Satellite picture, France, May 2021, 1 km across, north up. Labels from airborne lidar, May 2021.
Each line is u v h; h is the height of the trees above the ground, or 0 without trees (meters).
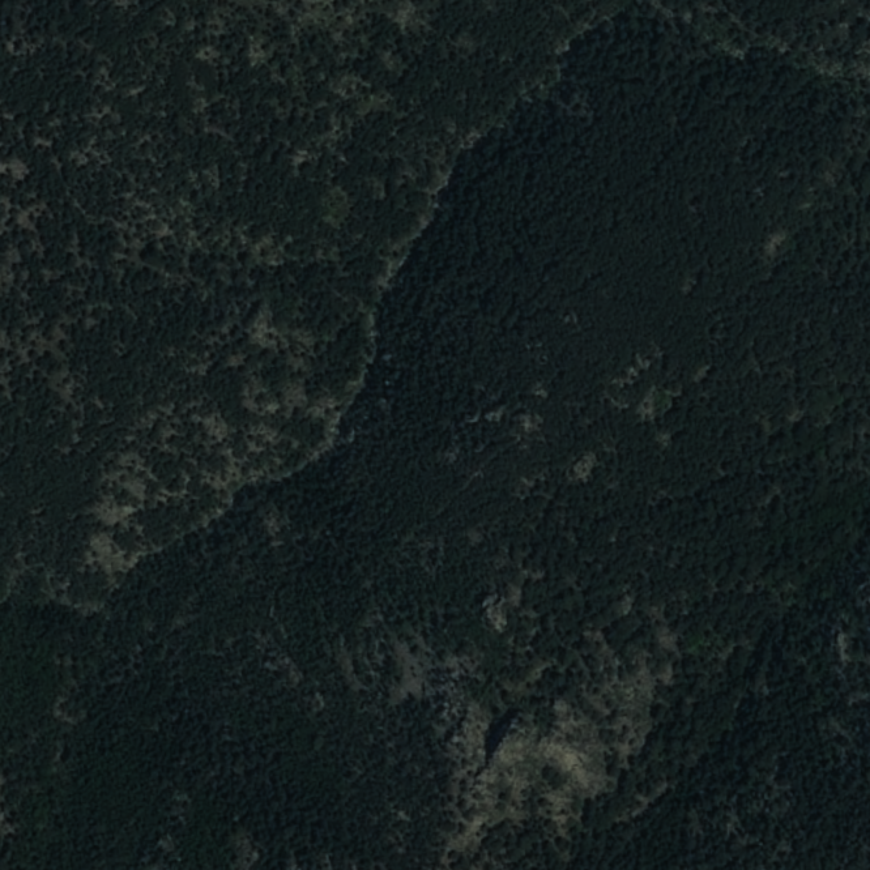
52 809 20
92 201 18
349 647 11
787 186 20
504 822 15
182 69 18
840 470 16
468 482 9
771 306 26
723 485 26
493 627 9
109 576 14
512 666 11
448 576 12
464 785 14
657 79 20
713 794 25
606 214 25
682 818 15
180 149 18
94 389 15
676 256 22
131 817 12
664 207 23
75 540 16
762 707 27
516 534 19
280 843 20
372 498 16
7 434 17
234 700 11
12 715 17
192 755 19
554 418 16
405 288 21
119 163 15
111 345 10
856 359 30
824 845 18
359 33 15
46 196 24
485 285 23
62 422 14
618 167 24
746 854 22
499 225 25
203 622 11
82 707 11
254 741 20
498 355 22
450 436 10
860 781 23
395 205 24
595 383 16
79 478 16
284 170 10
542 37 18
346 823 16
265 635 12
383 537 15
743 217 21
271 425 13
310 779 15
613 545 24
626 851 8
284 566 17
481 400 10
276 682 13
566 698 22
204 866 12
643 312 23
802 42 19
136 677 9
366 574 9
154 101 12
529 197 32
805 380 24
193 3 12
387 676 15
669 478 23
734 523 25
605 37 33
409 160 8
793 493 22
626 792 30
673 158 29
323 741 21
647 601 25
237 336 19
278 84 12
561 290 21
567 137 25
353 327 26
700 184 29
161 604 15
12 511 19
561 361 9
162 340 12
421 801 8
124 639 17
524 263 17
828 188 20
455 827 13
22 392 18
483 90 16
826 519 22
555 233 23
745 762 19
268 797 18
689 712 35
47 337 11
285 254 8
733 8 25
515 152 40
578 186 24
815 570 7
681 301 23
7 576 10
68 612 20
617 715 21
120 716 20
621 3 11
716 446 23
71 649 14
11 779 24
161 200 17
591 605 20
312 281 20
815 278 27
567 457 22
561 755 0
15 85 23
